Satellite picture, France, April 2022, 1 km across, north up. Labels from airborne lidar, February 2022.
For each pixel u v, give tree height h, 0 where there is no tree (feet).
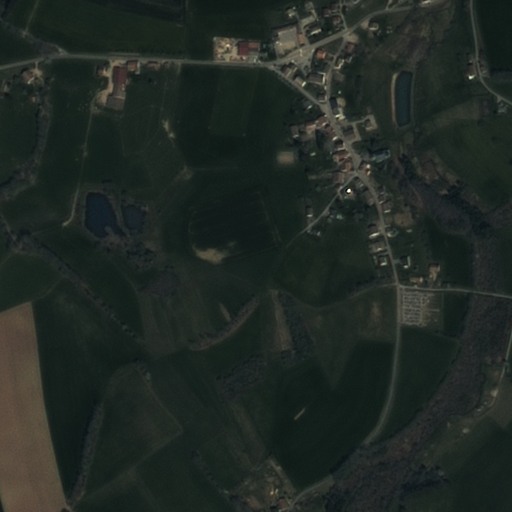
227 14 0
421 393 0
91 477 0
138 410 0
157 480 0
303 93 0
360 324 0
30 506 0
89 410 0
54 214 0
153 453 0
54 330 0
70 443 0
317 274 0
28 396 0
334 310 0
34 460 0
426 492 88
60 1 0
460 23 0
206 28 0
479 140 0
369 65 0
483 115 0
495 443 0
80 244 0
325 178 0
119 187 0
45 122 56
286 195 0
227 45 0
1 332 0
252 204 0
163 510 0
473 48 0
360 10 0
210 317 0
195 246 0
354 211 26
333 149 0
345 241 0
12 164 0
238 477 0
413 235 0
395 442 58
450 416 28
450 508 0
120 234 0
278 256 0
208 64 0
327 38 0
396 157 0
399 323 0
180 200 0
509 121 0
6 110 0
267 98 0
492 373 0
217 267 0
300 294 0
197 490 0
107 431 0
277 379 0
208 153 0
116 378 0
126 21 0
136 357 0
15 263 0
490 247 18
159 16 0
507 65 0
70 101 0
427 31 0
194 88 0
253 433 0
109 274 0
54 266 62
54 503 0
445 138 0
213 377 0
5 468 0
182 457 0
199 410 0
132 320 0
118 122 0
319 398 0
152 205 0
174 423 0
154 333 0
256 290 0
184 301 0
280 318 0
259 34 0
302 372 0
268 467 0
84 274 0
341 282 0
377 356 0
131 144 0
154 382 0
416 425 61
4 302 0
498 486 0
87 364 0
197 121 0
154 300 0
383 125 0
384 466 44
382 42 26
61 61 0
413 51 0
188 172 0
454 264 0
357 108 0
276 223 0
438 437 0
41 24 0
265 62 0
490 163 0
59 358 0
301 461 0
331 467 0
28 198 0
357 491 44
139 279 0
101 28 0
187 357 0
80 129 0
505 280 0
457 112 0
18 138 0
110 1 0
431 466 0
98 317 0
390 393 0
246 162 0
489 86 0
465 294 0
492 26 0
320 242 0
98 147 0
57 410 0
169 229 0
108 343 0
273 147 0
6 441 0
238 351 0
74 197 0
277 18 0
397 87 0
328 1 0
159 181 0
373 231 0
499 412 0
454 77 0
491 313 31
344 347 0
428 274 0
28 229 0
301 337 34
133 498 0
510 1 0
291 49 0
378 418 0
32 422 0
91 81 0
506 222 28
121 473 0
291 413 0
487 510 0
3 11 72
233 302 0
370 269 0
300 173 0
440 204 101
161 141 0
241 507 72
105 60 0
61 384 0
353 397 0
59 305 0
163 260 0
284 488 0
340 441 0
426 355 0
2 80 0
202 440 0
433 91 0
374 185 0
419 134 0
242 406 0
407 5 0
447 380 51
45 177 0
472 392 23
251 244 0
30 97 0
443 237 0
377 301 0
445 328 0
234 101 0
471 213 73
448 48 0
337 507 59
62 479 0
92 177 0
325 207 0
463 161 0
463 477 0
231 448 0
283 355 23
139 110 0
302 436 0
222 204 0
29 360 0
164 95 0
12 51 0
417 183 105
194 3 0
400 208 0
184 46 0
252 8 0
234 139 0
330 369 0
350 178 0
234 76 0
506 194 0
